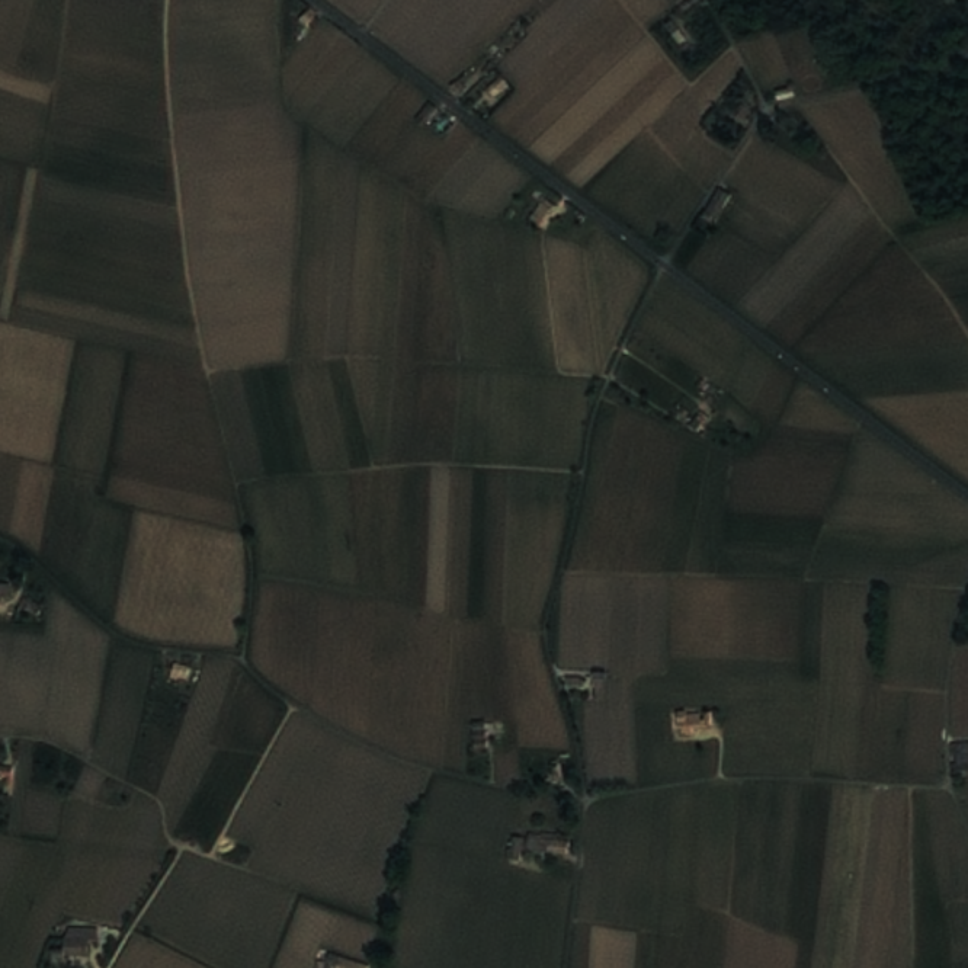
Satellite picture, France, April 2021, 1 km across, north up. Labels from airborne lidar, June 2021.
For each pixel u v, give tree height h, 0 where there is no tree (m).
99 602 0
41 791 0
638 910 0
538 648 0
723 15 13
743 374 0
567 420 0
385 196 0
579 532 0
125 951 0
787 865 0
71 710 0
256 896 0
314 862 0
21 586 16
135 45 0
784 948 0
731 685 0
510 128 0
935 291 0
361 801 0
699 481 0
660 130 0
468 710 0
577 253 0
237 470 0
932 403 0
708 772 0
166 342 0
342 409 0
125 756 0
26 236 0
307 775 0
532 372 0
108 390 0
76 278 0
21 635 0
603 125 0
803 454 0
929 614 0
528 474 0
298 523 0
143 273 0
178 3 0
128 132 0
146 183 0
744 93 8
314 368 0
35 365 0
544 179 0
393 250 0
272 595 0
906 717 0
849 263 0
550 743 0
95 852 0
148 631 0
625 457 0
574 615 0
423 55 0
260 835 0
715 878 0
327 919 0
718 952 0
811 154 14
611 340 0
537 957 0
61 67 0
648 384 0
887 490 0
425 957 0
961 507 0
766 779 0
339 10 0
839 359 0
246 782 0
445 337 0
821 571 0
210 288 0
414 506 0
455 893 0
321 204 0
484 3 0
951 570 0
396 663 0
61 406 0
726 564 0
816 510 0
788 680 0
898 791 0
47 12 0
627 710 0
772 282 0
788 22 18
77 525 0
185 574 0
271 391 0
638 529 0
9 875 0
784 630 0
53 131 0
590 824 0
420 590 0
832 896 0
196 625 0
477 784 0
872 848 0
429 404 0
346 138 0
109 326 0
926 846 0
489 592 0
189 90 0
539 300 0
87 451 0
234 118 0
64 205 0
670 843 0
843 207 0
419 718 0
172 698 0
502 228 0
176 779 0
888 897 0
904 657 0
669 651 0
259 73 0
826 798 0
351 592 0
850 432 0
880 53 18
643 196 0
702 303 0
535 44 0
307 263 0
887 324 0
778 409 0
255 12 0
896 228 0
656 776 0
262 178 0
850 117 0
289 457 0
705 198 0
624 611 0
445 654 0
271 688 0
